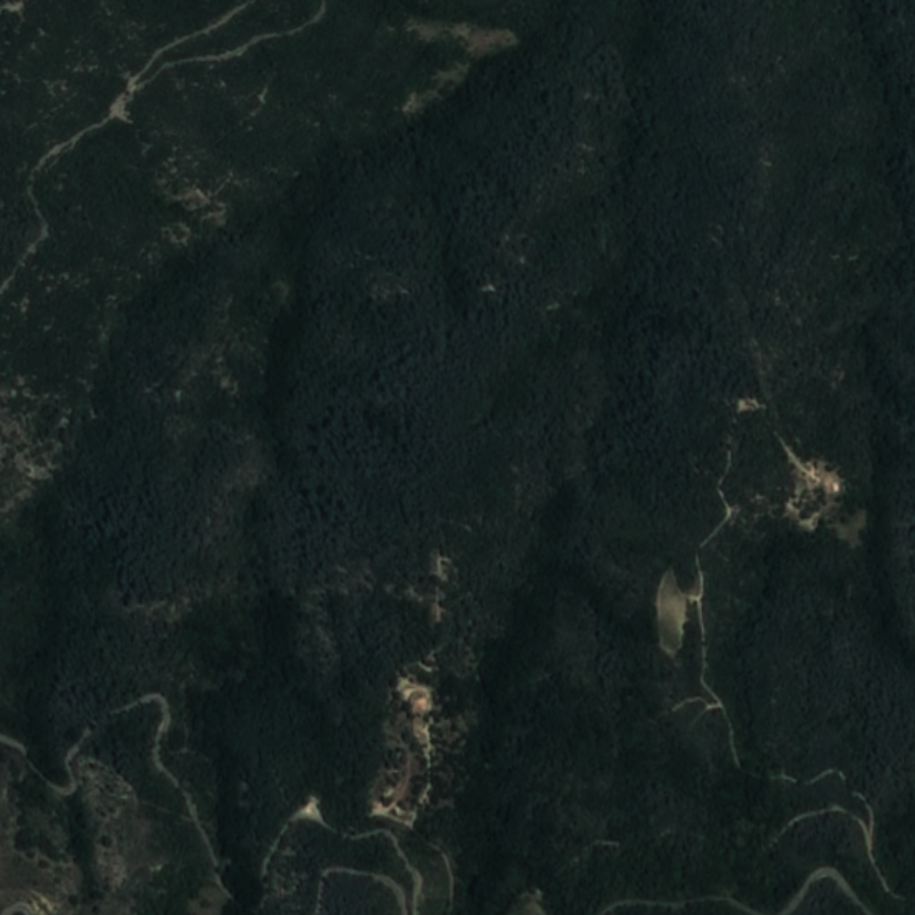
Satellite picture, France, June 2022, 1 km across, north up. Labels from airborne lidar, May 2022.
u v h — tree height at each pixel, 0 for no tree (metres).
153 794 7
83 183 7
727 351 7
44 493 6
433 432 13
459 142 12
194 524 13
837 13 7
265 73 17
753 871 16
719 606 5
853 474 7
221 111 7
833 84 9
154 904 13
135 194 9
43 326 7
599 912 11
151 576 15
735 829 15
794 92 11
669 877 10
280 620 14
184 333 9
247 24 9
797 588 6
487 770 9
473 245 8
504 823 11
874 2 15
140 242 8
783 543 20
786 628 10
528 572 9
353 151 14
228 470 9
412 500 12
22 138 8
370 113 9
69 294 10
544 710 14
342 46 9
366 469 17
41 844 9
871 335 17
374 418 19
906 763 12
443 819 8
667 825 0
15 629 6
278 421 14
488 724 15
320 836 6
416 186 14
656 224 10
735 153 8
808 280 8
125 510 21
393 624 11
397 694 9
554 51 11
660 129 15
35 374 6
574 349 10
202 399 7
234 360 8
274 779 7
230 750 19
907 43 7
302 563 11
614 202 7
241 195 6
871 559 13
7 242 13
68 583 15
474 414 13
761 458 8
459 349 12
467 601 12
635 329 8
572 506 10
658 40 12
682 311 7
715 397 7
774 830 9
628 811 8
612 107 7
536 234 9
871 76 6
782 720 7
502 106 12
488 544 10
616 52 11
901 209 11
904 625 6
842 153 13
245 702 18
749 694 17
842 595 15
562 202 8
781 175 9
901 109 10
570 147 11
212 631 12
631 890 10
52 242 7
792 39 7
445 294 12
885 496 7
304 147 9
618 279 14
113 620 7
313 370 9
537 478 7
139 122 8
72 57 6
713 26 7
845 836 11
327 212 12
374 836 9
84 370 7
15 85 11
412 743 8
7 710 8
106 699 10
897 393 15
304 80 10
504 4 9
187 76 7
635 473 6
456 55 6
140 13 7
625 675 11
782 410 9
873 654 15
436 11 12
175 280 9
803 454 10
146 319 7
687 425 7
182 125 6
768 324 12
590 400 16
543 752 7
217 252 9
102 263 7
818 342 8
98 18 8
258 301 9
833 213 10
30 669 18
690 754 6
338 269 7
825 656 10
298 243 13
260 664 13
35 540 11
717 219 6
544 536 11
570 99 6
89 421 14
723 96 8
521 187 8
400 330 10
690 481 13
